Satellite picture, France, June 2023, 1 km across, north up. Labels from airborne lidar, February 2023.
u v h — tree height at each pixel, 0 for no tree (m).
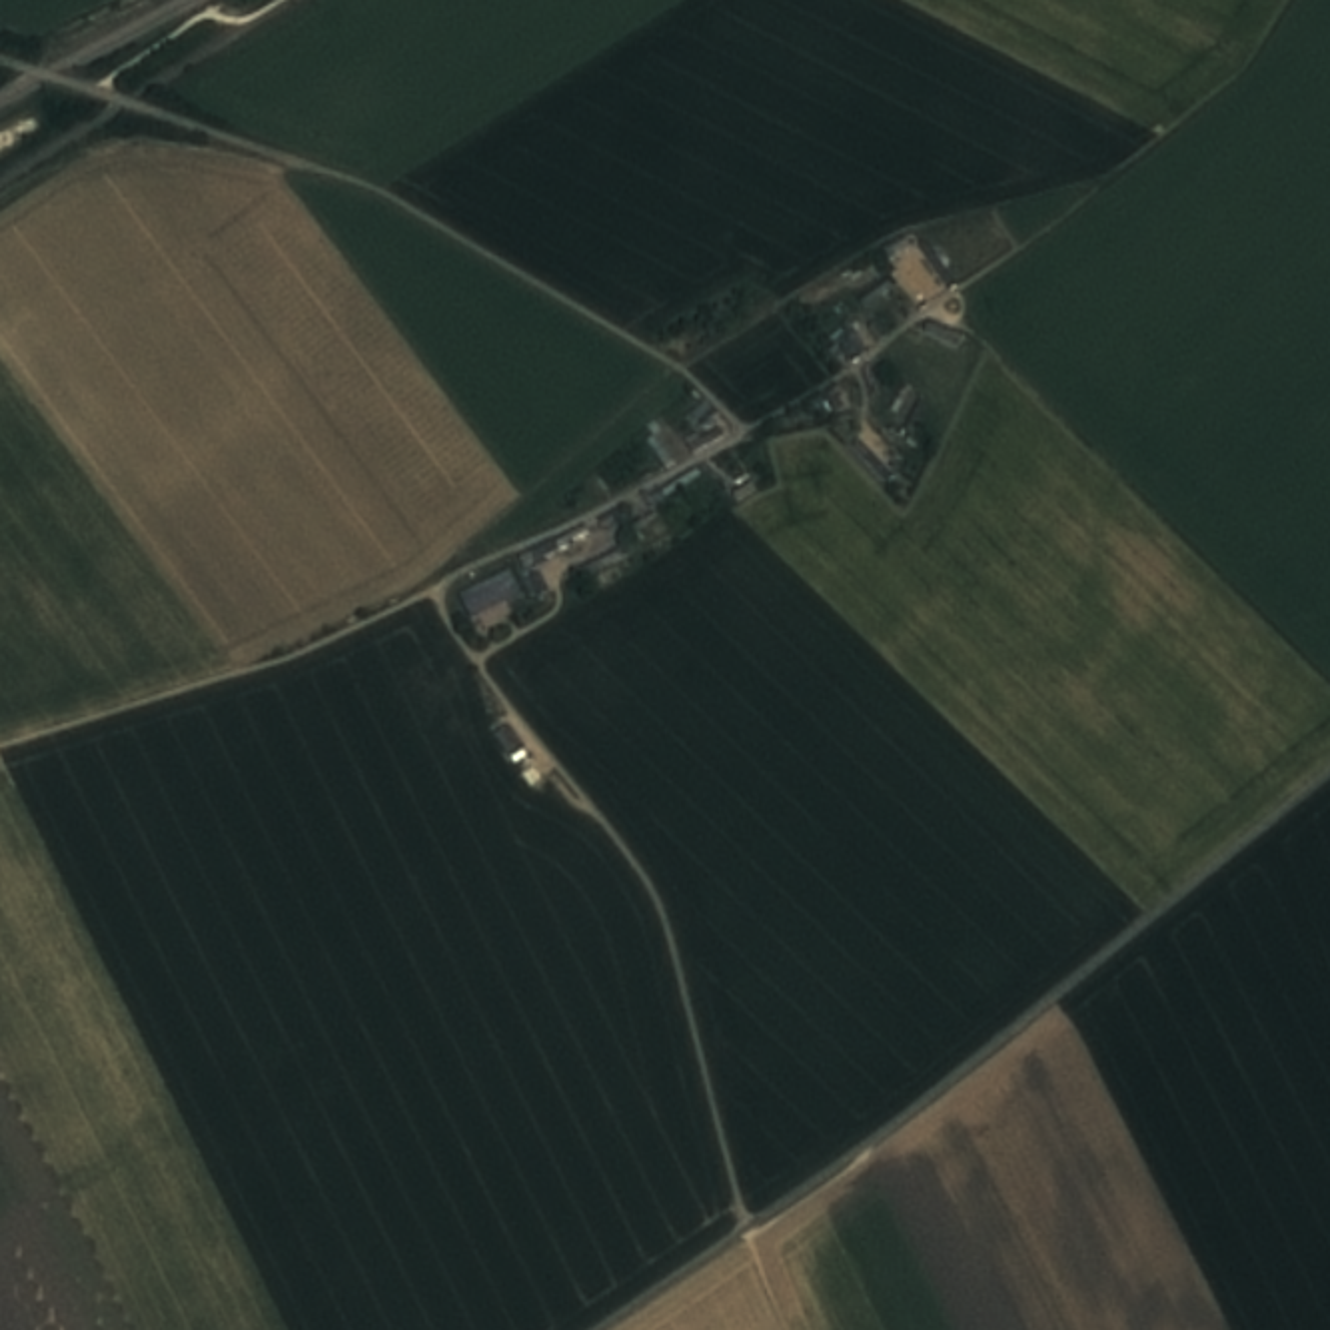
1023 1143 0
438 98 0
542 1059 0
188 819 0
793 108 0
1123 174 0
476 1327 0
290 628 0
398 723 0
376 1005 0
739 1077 0
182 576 0
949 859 0
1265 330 0
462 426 0
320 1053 0
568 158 0
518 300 0
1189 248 0
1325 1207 0
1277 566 0
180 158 0
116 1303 0
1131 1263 0
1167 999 0
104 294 0
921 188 0
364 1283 0
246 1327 0
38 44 11
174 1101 0
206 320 0
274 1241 0
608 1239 0
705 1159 0
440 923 0
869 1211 0
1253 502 0
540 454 0
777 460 0
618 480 6
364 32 0
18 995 0
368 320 0
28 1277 0
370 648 0
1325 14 0
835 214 0
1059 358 0
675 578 0
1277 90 0
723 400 0
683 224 0
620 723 0
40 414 0
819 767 0
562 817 0
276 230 0
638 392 0
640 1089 0
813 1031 0
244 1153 0
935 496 0
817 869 0
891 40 0
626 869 0
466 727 0
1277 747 0
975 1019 0
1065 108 0
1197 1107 0
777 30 0
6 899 0
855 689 0
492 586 0
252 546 0
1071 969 0
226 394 0
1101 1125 0
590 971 0
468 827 0
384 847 0
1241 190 0
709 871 0
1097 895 0
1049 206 0
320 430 0
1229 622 0
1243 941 0
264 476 0
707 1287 0
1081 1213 0
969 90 0
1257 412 0
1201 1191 0
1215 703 0
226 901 0
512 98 0
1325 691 0
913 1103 0
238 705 0
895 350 0
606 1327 0
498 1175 0
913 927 0
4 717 0
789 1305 0
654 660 0
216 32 0
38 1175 0
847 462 0
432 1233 0
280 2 0
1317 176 0
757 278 0
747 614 0
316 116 0
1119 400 0
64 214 0
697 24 0
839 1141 0
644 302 0
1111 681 0
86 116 14
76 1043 0
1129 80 0
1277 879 0
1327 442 0
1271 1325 0
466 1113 0
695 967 0
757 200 0
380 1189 0
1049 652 0
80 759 0
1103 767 0
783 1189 0
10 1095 0
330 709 0
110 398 0
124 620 0
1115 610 0
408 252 0
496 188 0
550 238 0
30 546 0
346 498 0
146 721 0
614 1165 0
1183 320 0
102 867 0
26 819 0
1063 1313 0
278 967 0
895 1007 0
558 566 0
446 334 0
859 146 0
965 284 0
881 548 0
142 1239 0
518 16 0
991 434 0
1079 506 0
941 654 0
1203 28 0
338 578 0
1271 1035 0
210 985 0
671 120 0
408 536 0
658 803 0
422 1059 0
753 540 0
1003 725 0
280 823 0
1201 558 0
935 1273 0
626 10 0
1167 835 0
